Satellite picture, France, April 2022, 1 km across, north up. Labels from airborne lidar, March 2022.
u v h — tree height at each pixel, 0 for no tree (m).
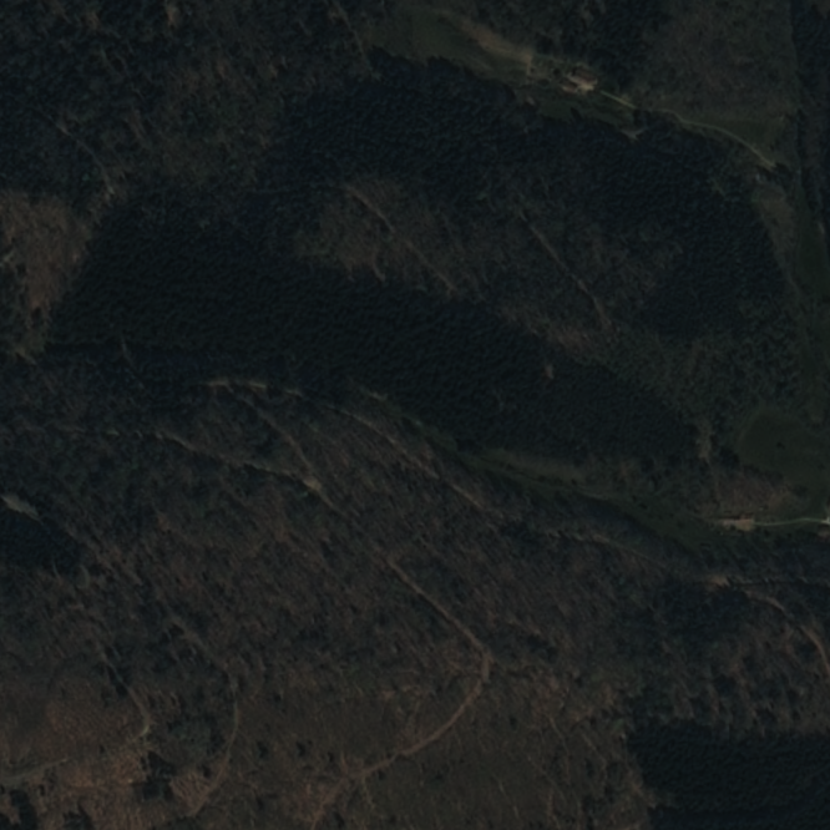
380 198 22
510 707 33
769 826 32
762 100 23
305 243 19
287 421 31
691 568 30
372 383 32
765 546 0
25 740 11
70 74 19
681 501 21
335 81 26
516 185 27
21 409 24
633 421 24
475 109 26
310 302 30
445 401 36
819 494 0
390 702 8
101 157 28
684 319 22
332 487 32
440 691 22
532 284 23
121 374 14
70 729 13
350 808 8
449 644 26
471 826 10
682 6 27
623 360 26
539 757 7
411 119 23
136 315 39
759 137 0
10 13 19
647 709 24
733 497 27
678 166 24
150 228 33
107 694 18
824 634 9
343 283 27
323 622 12
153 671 32
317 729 15
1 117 19
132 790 14
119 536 23
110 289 40
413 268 23
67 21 11
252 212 25
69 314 27
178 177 25
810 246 0
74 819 18
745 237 26
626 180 23
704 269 24
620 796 9
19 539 21
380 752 6
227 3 26
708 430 14
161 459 12
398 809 7
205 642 26
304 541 34
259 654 33
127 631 35
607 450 28
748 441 0
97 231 29
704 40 32
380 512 33
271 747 12
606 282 20
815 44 30
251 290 33
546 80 0
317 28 20
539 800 10
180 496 32
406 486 30
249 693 14
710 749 24
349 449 34
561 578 33
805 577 9
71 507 29
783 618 23
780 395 32
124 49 16
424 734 6
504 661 23
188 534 30
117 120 29
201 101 21
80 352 21
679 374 25
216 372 37
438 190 29
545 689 7
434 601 9
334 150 18
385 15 28
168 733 11
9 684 12
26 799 21
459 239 26
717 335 28
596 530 32
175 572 31
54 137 28
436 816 11
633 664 28
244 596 33
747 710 25
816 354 18
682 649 28
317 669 30
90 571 20
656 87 29
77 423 31
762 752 22
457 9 15
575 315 23
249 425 29
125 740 13
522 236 21
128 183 19
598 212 11
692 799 21
